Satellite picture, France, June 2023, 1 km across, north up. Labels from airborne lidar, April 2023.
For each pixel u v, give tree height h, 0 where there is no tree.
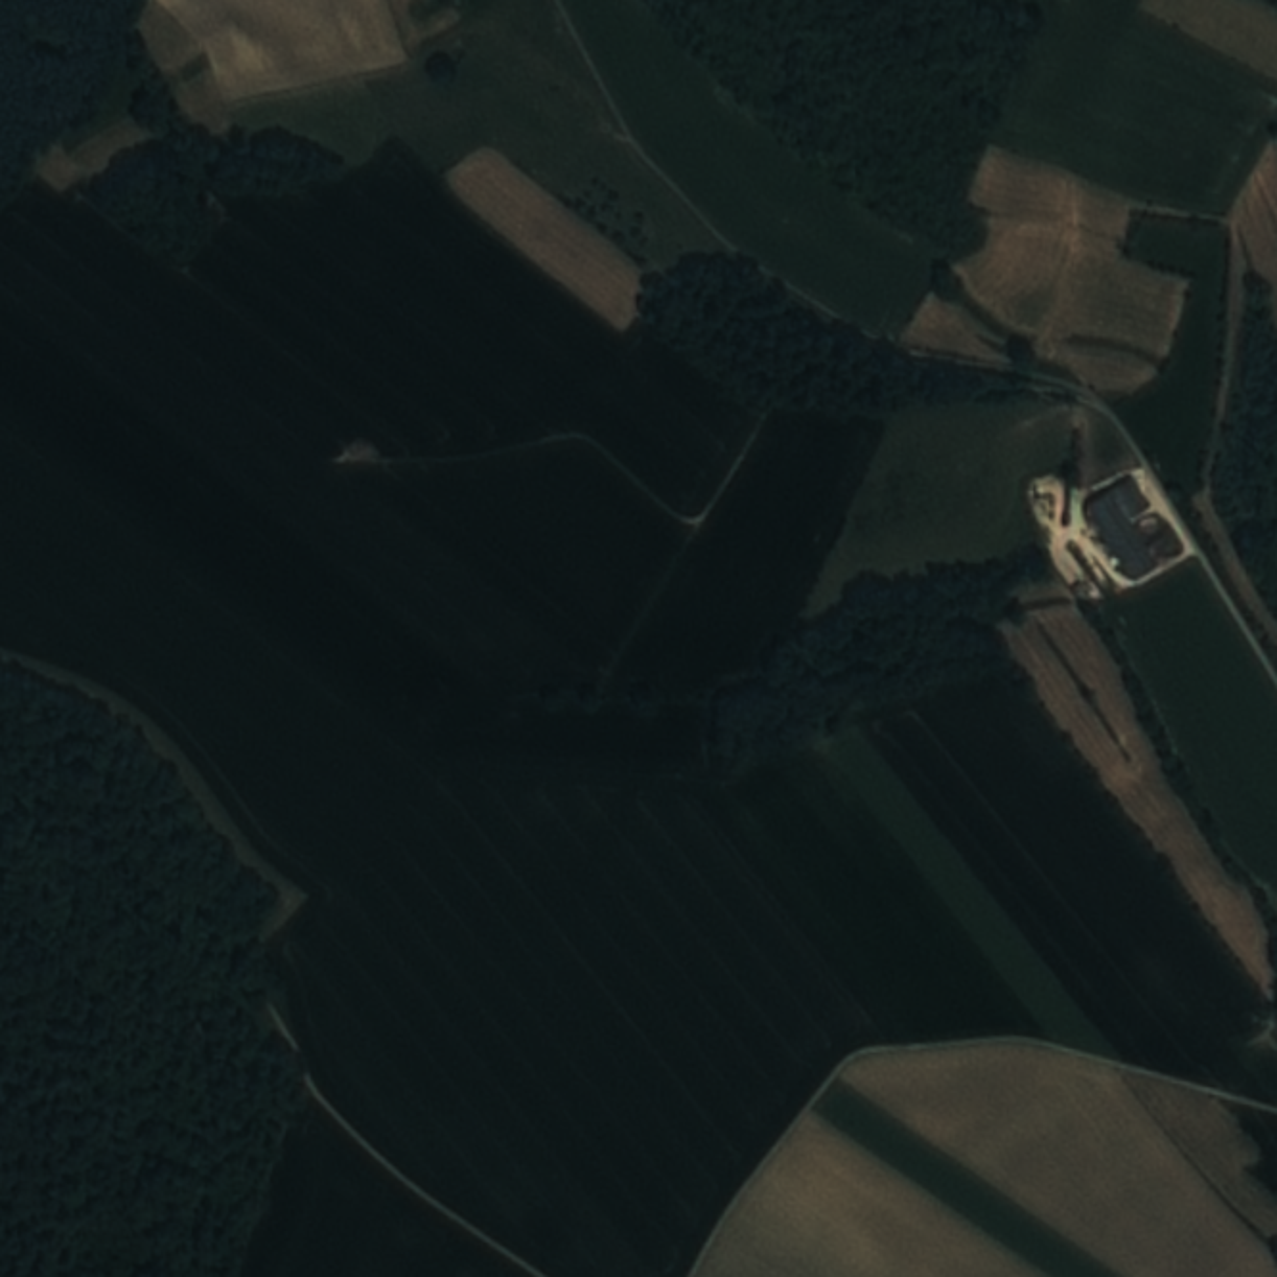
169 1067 8
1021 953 0
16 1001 22
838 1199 0
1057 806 0
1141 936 0
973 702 0
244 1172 7
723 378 19
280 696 0
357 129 0
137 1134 17
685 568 0
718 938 0
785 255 0
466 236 0
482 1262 0
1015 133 0
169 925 22
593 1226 0
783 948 0
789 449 0
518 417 0
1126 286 0
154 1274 19
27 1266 9
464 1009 0
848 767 0
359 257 0
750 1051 0
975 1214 0
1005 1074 0
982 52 24
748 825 0
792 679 19
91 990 8
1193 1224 0
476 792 0
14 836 20
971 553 0
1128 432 0
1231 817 0
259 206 0
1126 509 0
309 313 0
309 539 0
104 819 25
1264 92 0
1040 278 0
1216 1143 0
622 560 0
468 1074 0
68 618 0
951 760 0
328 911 0
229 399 0
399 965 0
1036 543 0
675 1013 0
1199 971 0
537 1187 0
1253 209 0
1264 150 0
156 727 0
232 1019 20
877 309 0
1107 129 0
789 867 0
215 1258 6
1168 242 0
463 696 0
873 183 13
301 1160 0
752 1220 0
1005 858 0
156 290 0
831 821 0
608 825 0
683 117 0
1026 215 0
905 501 0
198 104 0
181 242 21
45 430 0
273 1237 0
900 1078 0
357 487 0
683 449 0
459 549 0
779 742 25
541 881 0
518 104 0
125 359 0
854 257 0
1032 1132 0
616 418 0
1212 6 0
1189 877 0
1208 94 0
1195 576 0
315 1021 0
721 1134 0
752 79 7
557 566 0
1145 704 12
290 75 0
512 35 0
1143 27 0
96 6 19
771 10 23
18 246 0
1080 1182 0
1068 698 0
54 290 0
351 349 0
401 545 0
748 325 18
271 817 0
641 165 0
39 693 18
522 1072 0
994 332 0
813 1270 0
